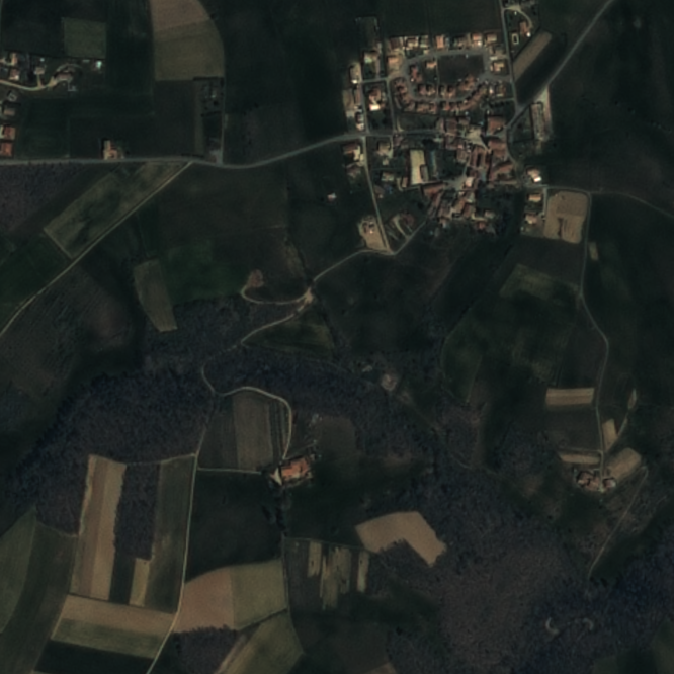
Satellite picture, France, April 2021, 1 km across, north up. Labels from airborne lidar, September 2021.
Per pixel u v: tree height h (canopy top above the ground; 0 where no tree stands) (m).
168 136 0
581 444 0
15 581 0
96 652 0
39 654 0
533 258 0
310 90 0
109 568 0
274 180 0
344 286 0
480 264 0
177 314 7
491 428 0
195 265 0
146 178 0
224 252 0
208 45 0
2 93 0
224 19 0
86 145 0
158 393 16
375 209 0
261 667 0
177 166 0
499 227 12
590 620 7
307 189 0
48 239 0
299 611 0
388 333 0
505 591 6
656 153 0
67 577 0
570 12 0
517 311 0
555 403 0
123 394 20
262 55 0
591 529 0
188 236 0
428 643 6
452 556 10
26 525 0
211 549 0
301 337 0
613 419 0
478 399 0
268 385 17
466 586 7
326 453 0
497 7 0
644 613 16
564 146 0
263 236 0
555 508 0
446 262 0
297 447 0
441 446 17
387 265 0
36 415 0
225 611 0
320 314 0
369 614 0
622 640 11
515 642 12
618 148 0
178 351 15
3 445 0
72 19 0
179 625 0
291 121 0
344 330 0
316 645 0
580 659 13
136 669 0
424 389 0
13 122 0
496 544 9
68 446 10
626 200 0
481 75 0
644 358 0
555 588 17
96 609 0
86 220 0
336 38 0
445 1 0
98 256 0
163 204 0
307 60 0
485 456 0
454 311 0
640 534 0
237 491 0
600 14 0
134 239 0
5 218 6
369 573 6
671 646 0
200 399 8
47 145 0
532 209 0
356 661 0
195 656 6
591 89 0
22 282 0
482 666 7
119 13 0
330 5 0
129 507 14
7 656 0
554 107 0
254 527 0
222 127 0
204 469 0
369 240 0
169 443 8
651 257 0
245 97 0
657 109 0
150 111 0
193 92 0
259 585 0
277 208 0
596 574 0
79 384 0
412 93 0
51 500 9
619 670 0
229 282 0
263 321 6
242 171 0
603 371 0
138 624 0
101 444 9
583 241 0
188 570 0
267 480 9
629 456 0
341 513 0
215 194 0
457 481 19
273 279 0
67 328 6
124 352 0
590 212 0
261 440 0
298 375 17
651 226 0
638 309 0
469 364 0
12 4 0
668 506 0
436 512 17
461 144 0
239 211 0
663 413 0
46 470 17
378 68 0
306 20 0
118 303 0
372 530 0
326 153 0
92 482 0
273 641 0
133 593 0
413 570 8
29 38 0
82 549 0
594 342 0
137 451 8
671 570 10
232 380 18
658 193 0
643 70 0
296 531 0
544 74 0
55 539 0
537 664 13
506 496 12
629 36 0
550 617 6
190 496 0
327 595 0
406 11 0
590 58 0
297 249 0
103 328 0
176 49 0
